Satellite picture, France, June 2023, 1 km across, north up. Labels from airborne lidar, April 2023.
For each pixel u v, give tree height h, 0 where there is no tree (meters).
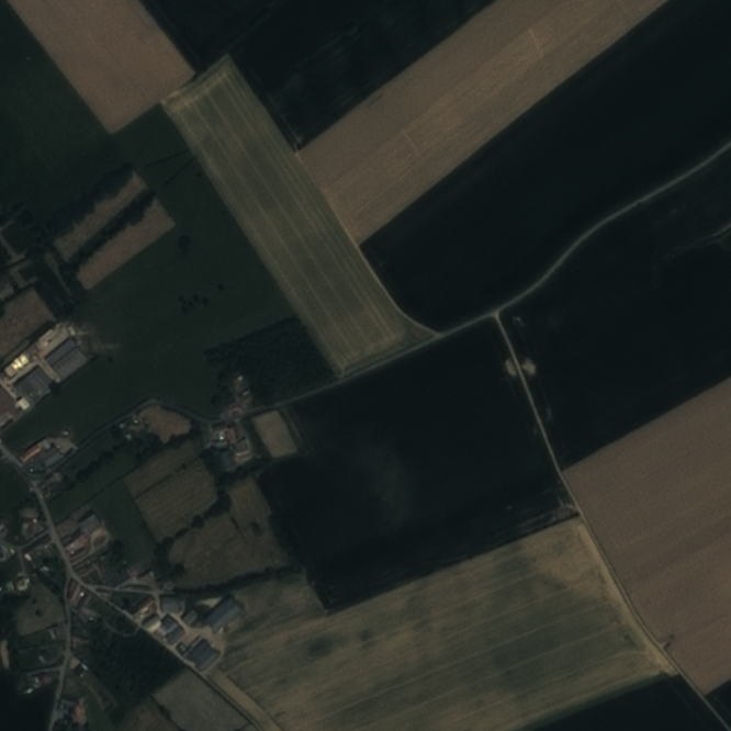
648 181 0
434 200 0
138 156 0
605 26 0
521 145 0
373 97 0
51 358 0
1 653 0
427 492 0
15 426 0
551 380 0
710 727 0
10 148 0
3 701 0
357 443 0
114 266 0
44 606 0
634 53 0
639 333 0
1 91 0
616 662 0
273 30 0
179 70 0
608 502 0
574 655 0
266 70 0
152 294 0
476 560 0
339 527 0
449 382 0
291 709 0
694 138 0
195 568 0
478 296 0
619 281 0
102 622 6
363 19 0
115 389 0
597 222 0
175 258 0
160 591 0
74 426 0
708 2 0
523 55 0
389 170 0
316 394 0
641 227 0
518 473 0
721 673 0
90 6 0
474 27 0
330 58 0
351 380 0
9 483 0
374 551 0
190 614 0
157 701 0
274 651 0
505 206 0
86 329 0
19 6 0
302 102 0
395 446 0
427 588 0
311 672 0
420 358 0
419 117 0
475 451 0
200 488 0
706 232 0
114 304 0
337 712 0
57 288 0
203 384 0
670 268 0
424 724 0
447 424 0
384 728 0
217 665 0
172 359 0
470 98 0
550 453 0
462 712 0
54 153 0
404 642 0
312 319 0
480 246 0
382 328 0
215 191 0
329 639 0
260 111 0
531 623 0
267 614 0
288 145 0
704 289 0
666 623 0
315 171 0
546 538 0
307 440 0
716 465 0
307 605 0
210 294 0
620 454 0
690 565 0
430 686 0
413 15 0
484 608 0
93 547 0
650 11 0
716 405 0
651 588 0
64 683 0
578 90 0
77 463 0
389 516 0
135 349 0
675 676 0
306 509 0
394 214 0
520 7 0
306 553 0
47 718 0
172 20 0
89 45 0
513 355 0
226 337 0
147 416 0
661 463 0
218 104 0
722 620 0
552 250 0
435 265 0
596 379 0
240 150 0
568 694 0
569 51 0
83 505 0
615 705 0
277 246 0
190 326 0
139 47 0
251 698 0
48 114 0
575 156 0
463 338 0
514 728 0
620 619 0
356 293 0
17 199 0
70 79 0
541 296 0
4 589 0
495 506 0
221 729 0
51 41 0
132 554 0
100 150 0
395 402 0
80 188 0
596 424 0
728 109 0
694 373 0
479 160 0
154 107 0
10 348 0
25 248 0
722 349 0
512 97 0
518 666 0
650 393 0
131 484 0
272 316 0
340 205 0
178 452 0
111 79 0
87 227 0
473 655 0
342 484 0
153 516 0
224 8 0
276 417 0
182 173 0
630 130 0
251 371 15
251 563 0
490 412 0
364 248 0
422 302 0
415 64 0
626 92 0
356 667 0
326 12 0
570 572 0
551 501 0
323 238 0
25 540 0
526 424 0
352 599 0
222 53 6
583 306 0
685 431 0
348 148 0
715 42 0
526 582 0
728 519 0
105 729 0
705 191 0
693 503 0
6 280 0
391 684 0
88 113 0
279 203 0
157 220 0
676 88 0
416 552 0
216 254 0
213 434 0
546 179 0
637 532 0
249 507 0
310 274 0
